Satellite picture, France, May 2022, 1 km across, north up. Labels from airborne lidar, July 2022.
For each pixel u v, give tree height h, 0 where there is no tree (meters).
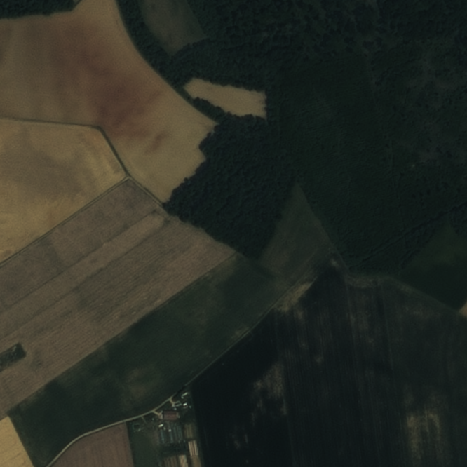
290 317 0
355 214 7
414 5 26
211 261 0
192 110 0
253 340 0
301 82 9
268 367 0
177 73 21
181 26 0
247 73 19
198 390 0
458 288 0
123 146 0
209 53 27
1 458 0
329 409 0
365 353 0
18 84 0
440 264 0
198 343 0
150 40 21
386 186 6
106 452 0
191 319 0
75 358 0
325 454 0
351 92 6
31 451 0
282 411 0
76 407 0
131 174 0
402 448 0
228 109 0
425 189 8
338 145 6
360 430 0
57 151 0
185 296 0
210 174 23
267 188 27
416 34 25
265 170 23
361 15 28
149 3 0
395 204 6
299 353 0
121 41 0
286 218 0
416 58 7
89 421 0
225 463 0
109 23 0
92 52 0
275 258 0
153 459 0
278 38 24
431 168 7
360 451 0
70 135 0
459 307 0
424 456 0
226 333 0
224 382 0
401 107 6
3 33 0
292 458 0
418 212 8
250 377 0
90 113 0
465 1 22
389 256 8
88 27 0
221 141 29
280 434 0
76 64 0
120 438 0
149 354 0
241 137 26
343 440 0
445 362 0
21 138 0
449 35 20
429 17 23
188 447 0
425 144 5
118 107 0
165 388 0
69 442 0
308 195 11
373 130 6
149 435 0
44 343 0
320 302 0
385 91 5
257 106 0
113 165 0
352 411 0
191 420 0
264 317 0
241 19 14
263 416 0
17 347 0
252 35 21
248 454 0
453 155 25
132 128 0
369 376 0
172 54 0
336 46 24
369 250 7
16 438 0
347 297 0
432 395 0
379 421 0
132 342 0
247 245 24
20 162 0
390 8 15
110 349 0
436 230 14
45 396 0
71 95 0
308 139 6
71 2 16
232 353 0
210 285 0
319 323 0
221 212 24
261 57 26
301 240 0
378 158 7
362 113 6
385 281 0
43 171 0
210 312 0
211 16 22
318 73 7
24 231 0
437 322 0
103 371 0
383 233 7
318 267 0
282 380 0
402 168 7
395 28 25
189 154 0
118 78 0
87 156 0
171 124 0
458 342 0
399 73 5
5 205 0
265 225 27
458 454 0
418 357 0
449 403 0
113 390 0
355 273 11
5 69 0
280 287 0
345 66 7
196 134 0
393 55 6
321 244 0
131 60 0
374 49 26
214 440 0
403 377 0
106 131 0
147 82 0
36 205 0
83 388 0
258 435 0
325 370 0
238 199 25
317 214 14
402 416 0
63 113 0
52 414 0
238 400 0
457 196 8
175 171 0
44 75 0
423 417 0
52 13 16
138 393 0
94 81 0
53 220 0
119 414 0
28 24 0
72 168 0
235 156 29
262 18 8
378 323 0
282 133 8
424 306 0
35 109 0
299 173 7
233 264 0
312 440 0
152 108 0
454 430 0
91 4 0
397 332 0
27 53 0
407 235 9
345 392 0
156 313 0
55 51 0
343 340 0
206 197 25
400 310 0
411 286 0
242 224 25
